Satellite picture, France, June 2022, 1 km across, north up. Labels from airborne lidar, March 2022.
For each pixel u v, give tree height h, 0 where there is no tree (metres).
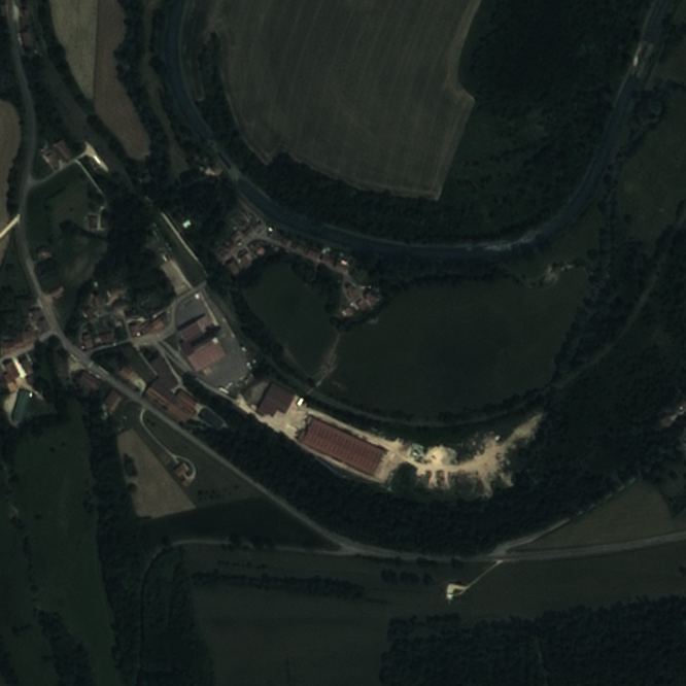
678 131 0
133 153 0
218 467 0
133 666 18
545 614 0
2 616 0
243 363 0
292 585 14
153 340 0
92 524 0
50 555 0
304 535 0
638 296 0
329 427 0
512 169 0
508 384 0
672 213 0
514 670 18
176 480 0
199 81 0
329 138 0
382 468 0
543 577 0
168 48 0
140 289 10
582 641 14
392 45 0
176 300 0
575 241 0
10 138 0
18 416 0
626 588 0
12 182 10
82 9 0
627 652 22
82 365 0
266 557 0
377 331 0
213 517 0
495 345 0
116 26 0
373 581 0
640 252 30
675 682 17
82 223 0
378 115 0
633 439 6
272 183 9
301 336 0
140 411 0
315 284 15
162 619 12
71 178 0
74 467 0
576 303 0
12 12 0
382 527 19
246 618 0
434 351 0
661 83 15
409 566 0
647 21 0
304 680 0
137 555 13
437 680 17
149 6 0
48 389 18
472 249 0
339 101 0
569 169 16
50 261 8
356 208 20
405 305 0
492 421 6
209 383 0
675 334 0
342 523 16
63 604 0
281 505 0
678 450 16
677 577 0
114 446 7
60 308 0
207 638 0
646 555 0
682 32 15
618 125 0
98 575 0
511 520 22
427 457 0
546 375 0
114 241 18
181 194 13
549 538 0
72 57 0
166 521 0
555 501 21
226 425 0
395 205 18
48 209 9
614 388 0
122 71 17
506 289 0
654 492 0
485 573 0
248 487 0
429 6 0
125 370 0
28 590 0
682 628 20
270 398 0
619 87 0
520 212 0
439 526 23
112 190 14
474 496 0
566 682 19
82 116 0
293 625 0
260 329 23
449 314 0
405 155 0
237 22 0
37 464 0
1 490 0
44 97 10
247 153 15
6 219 0
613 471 0
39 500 0
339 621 0
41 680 0
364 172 0
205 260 16
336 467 0
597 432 0
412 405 0
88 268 0
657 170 0
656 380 0
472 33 0
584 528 0
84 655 10
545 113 9
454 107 0
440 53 0
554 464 0
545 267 0
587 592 0
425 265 23
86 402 17
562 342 0
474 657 17
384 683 11
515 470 0
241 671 0
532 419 0
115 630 17
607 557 0
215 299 0
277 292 0
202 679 7
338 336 0
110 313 0
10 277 0
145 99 22
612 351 0
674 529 0
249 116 0
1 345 0
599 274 6
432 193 0
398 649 14
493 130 0
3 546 0
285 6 0
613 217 13
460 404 0
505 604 0
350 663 0
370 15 0
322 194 21
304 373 0
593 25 15
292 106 0
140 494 0
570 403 0
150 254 21
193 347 0
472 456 0
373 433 0
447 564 0
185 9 0
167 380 0
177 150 0
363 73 0
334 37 0
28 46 7
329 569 0
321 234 0
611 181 16
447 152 0
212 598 0
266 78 0
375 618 0
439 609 0
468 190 0
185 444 0
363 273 0
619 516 0
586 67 15
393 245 0
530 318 0
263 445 17
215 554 0
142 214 19
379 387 0
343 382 0
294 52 0
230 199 16
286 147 0
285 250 12
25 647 0
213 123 7
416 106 0
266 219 0
